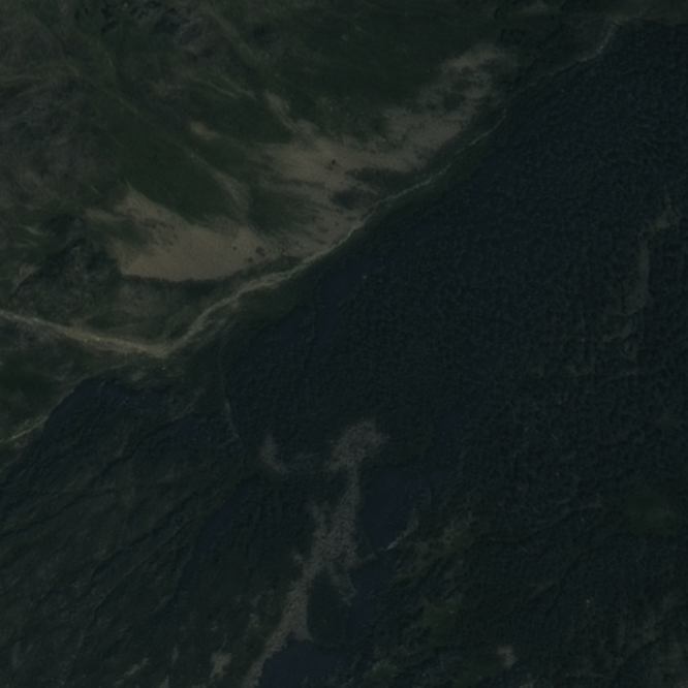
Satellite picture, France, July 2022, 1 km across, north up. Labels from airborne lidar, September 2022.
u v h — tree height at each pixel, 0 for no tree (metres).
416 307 9
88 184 0
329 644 0
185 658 0
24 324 0
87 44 0
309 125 0
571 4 13
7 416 0
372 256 7
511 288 13
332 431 7
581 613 10
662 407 26
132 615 0
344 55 0
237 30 0
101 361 0
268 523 9
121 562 0
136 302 0
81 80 0
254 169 0
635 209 24
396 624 9
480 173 9
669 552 11
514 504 11
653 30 20
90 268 8
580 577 7
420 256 11
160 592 0
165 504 0
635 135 6
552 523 11
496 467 9
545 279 28
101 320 0
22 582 0
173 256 0
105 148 0
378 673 0
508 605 12
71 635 0
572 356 13
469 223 21
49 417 0
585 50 6
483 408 7
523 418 21
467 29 0
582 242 19
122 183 0
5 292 0
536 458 13
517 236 13
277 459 7
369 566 0
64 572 0
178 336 0
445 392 9
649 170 13
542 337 13
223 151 0
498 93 0
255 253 0
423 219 6
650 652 10
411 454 0
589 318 12
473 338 10
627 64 21
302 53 0
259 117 0
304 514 8
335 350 9
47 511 0
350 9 0
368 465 6
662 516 0
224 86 0
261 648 0
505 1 12
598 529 10
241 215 0
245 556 0
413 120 0
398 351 8
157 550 0
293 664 0
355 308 12
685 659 10
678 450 10
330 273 7
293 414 7
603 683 8
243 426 9
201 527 0
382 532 9
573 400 22
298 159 0
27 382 0
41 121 0
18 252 0
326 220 0
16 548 0
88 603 0
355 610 0
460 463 12
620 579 15
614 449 14
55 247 0
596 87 12
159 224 0
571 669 9
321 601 0
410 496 9
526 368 10
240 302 0
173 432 7
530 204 21
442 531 9
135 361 0
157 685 0
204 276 0
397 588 9
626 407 25
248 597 0
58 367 0
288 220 0
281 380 10
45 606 0
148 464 0
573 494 10
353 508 0
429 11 0
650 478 10
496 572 7
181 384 0
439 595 9
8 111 0
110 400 7
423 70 0
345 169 0
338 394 8
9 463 0
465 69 0
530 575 9
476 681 0
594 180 19
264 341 6
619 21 0
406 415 6
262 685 0
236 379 9
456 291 33
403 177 0
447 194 10
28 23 0
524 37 17
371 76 0
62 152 0
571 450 11
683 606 8
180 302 0
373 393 11
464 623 11
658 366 17
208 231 0
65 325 0
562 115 11
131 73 0
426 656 11
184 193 0
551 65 7
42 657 0
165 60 0
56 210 0
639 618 13
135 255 0
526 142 17
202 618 0
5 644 0
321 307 9
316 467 6
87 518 0
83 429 6
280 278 0
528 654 9
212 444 7
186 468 0
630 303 7
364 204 0
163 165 0
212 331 0
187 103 0
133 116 0
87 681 0
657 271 25
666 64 18
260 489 11
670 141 27
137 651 0
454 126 0
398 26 0
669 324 23
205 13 0
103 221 0
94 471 0
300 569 0
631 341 12
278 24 0
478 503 7
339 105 0
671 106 19
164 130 0
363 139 0
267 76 0
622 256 20
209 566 0
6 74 0
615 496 9
